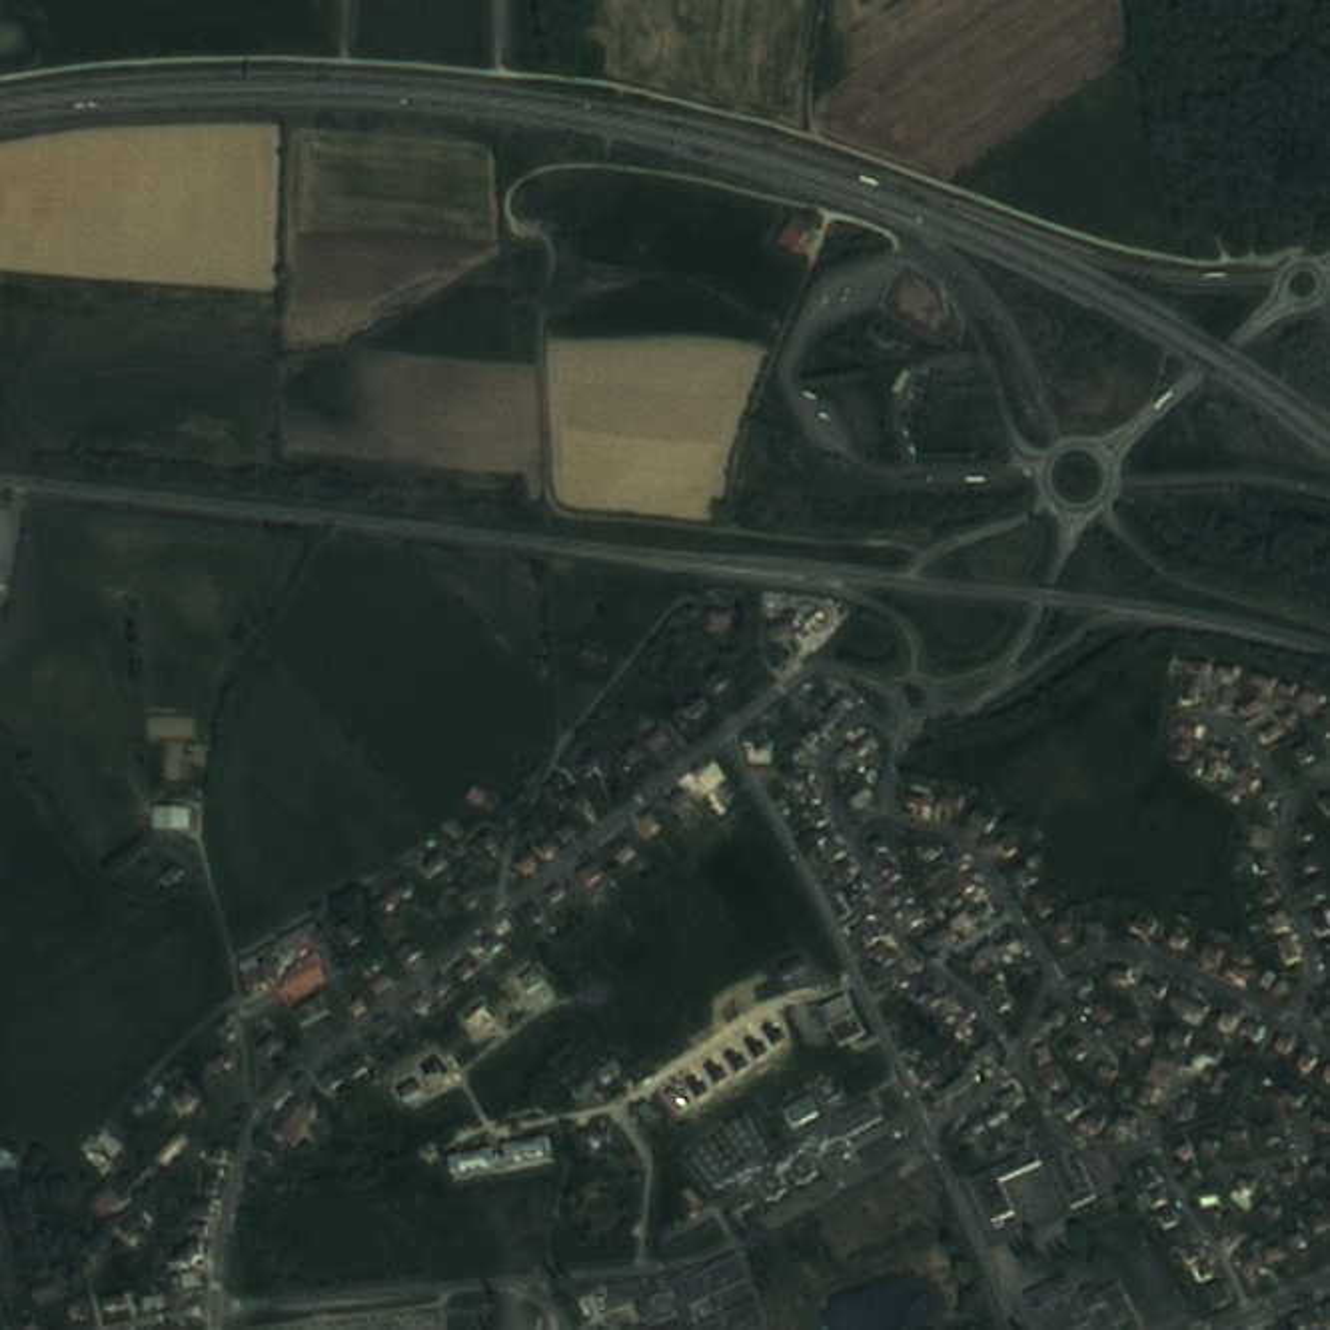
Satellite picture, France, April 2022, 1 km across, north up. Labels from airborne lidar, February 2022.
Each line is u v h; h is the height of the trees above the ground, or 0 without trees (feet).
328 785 0
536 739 0
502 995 0
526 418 0
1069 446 0
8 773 0
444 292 0
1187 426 0
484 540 0
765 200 0
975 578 0
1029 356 0
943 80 0
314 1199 0
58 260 0
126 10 0
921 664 0
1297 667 33
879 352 22
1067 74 0
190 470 22
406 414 0
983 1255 0
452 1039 0
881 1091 0
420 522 0
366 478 0
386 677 0
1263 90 89
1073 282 0
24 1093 0
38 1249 46
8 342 0
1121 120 0
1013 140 0
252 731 0
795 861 0
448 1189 0
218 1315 0
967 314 0
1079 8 0
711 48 0
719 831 0
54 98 0
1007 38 0
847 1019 0
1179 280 0
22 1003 0
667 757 0
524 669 0
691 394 0
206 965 0
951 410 0
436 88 0
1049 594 0
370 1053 0
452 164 0
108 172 0
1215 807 0
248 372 0
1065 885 0
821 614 0
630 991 0
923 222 0
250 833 0
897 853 0
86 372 0
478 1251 0
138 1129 0
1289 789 0
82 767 0
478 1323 0
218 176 0
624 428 0
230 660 0
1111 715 0
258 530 22
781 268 0
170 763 0
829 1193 0
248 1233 24
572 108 0
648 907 0
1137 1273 0
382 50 0
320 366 0
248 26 0
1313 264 0
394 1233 0
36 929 0
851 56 0
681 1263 0
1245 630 0
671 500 0
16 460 0
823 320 0
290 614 0
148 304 0
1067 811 0
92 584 0
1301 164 106
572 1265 0
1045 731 0
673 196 0
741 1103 0
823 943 0
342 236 0
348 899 31
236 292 0
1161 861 0
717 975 0
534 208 0
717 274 0
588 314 0
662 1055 0
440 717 0
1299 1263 0
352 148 0
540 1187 0
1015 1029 0
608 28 0
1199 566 31
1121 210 0
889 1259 0
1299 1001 0
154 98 0
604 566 0
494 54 0
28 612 0
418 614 0
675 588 0
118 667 0
